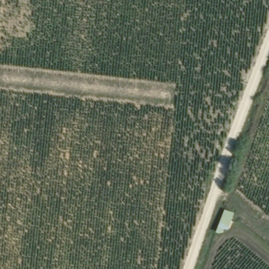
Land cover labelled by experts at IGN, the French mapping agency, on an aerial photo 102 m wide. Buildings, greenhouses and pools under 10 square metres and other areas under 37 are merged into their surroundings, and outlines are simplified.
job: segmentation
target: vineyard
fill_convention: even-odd
[[[210,269],[269,269],[269,266],[241,242],[230,237],[219,247]]]
[[[243,95],[243,84],[250,77],[248,70],[255,63],[254,57],[258,54],[268,30],[266,23],[269,24],[269,0],[0,0],[0,269],[182,269],[192,229],[195,222],[201,220],[215,165],[223,156],[221,152],[224,139],[230,131],[239,99]]]
[[[252,104],[242,131],[234,139],[237,144],[245,138],[249,138],[251,143],[234,188],[242,191],[249,200],[269,215],[269,55],[262,69],[261,81],[252,96]]]

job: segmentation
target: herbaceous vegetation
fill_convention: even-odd
[[[232,225],[218,233],[216,228],[225,210],[233,212]],[[234,188],[230,193],[223,190],[215,203],[212,219],[193,269],[210,269],[219,247],[230,237],[241,242],[269,266],[269,215],[249,200],[242,191]]]

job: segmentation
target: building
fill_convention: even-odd
[[[232,225],[233,212],[225,210],[216,228],[218,233]]]

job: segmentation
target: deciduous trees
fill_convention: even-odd
[[[245,138],[237,144],[223,190],[230,193],[234,188],[251,143],[249,138]]]

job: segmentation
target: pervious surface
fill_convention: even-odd
[[[230,131],[224,139],[221,152],[223,156],[215,165],[201,220],[195,222],[192,229],[182,269],[193,269],[212,219],[215,203],[223,190],[237,144],[234,139],[242,131],[252,104],[252,96],[261,81],[262,69],[269,55],[269,24],[266,23],[268,30],[258,54],[254,57],[255,63],[248,70],[250,77],[243,84],[243,95],[239,99]]]

